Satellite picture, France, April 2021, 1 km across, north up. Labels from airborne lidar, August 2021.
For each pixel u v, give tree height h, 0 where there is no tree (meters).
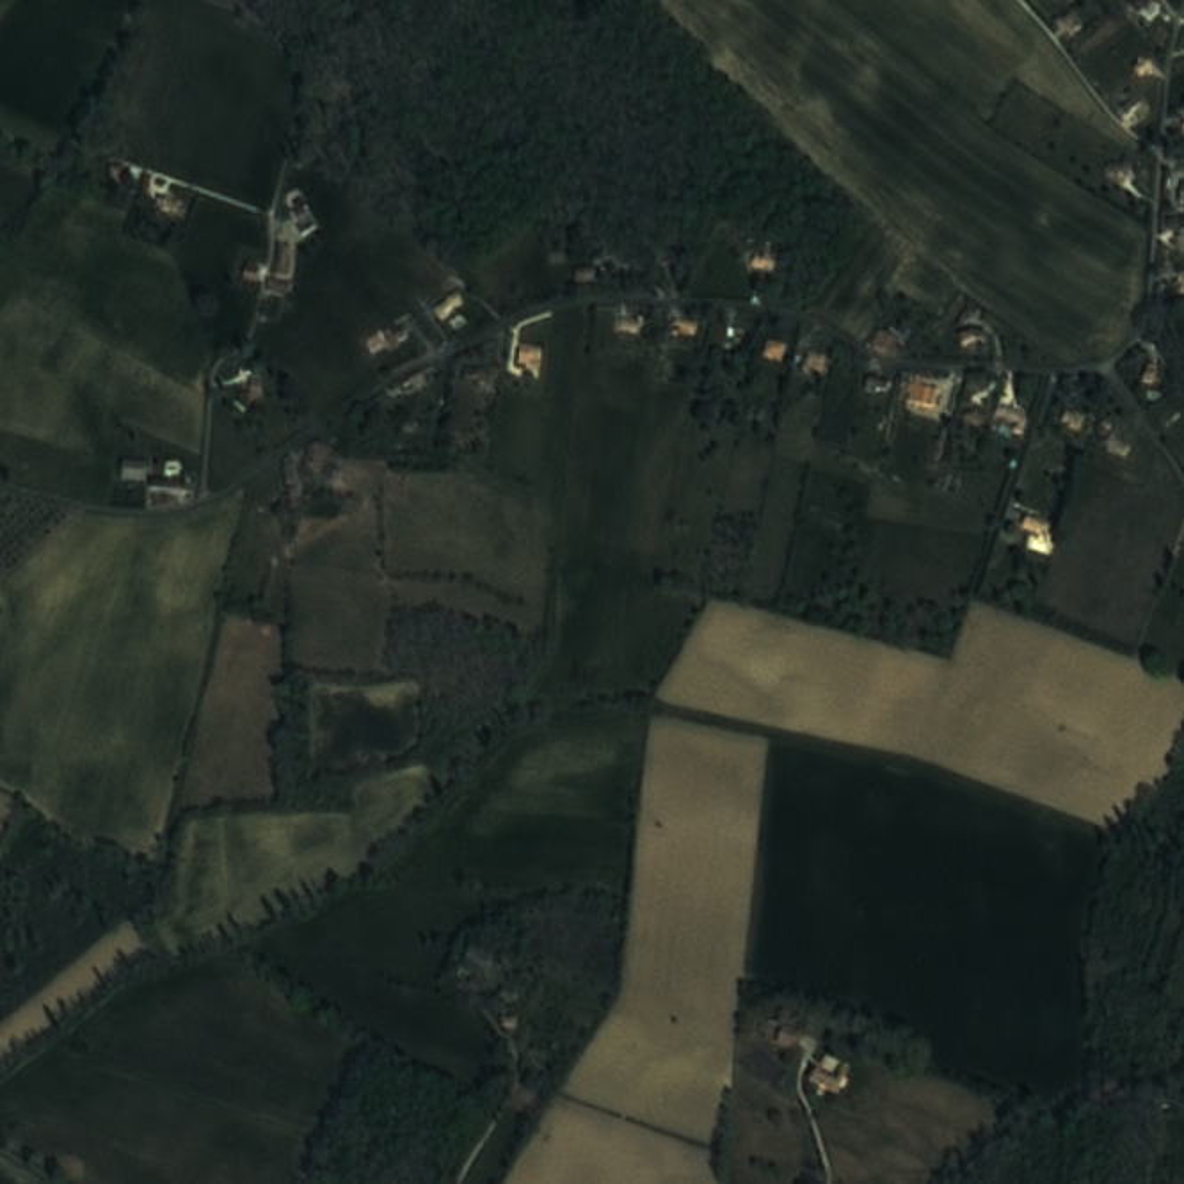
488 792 0
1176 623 0
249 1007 0
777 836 0
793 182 25
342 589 0
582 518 0
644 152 19
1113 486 0
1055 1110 0
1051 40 0
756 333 6
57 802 0
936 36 0
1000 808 0
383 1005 0
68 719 0
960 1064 0
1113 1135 16
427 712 12
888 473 0
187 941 0
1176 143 11
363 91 18
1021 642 0
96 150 21
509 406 0
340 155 20
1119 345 0
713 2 0
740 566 11
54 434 0
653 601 0
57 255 0
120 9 0
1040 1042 0
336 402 0
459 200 25
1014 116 0
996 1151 16
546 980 8
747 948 0
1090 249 0
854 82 0
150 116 0
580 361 0
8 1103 0
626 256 15
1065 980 0
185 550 0
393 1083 27
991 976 0
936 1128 0
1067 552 0
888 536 0
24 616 0
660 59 21
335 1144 21
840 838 0
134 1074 0
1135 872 11
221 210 0
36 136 0
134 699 0
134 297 0
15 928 20
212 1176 0
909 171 0
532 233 8
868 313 0
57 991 0
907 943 0
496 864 0
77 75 0
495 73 26
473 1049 0
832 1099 9
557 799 0
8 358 0
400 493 0
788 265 18
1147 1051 10
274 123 0
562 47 23
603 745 0
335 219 0
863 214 19
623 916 11
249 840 0
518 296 13
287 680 11
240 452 0
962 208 0
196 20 0
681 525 6
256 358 9
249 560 0
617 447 0
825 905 0
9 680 0
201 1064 0
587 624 0
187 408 0
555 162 22
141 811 0
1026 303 0
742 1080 0
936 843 0
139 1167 0
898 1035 22
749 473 0
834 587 11
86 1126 0
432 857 0
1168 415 0
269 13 20
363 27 21
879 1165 0
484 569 0
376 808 0
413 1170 22
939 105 0
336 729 0
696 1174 0
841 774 0
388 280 0
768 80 0
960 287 0
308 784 13
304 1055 0
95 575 0
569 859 0
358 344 0
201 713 0
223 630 0
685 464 0
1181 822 12
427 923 0
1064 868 0
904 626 11
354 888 7
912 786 0
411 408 8
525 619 0
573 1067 13
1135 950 10
